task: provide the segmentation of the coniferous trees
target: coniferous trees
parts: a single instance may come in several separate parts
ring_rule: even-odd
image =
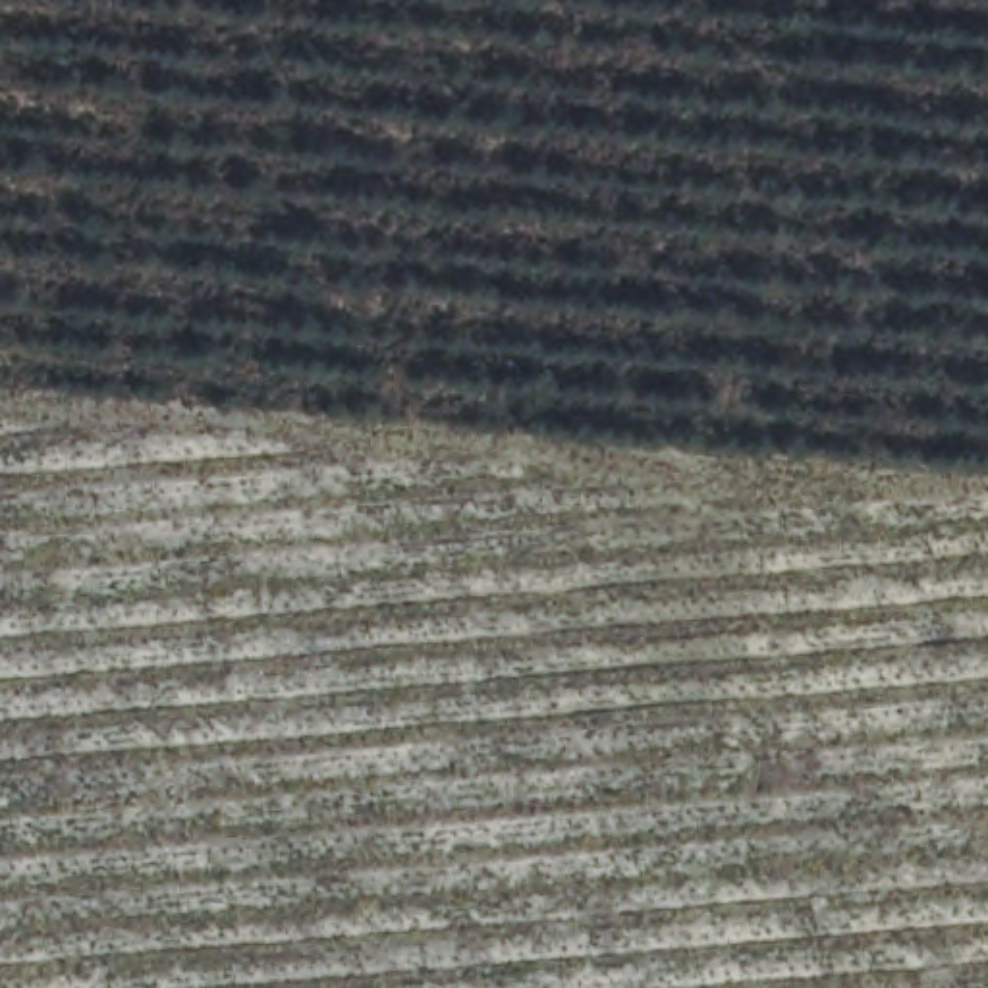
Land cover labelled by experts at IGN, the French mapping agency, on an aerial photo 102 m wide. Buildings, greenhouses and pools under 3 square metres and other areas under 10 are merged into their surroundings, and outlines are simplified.
[[[425,374],[413,382],[413,390],[425,398],[625,409],[633,398],[633,390],[556,386],[552,378],[494,382]]]
[[[394,174],[390,158],[324,147],[301,154],[305,174]]]
[[[714,398],[648,394],[648,413],[726,413],[726,405],[718,405]]]
[[[814,297],[841,301],[853,309],[988,309],[988,297],[953,289],[853,286],[830,278],[791,282],[745,278],[726,270],[660,270],[660,286],[741,289],[764,301]]]
[[[58,232],[62,212],[0,212],[0,232]]]
[[[367,363],[286,363],[282,378],[305,386],[363,386],[382,394],[382,371],[405,371],[409,359],[421,351],[533,359],[556,367],[710,374],[718,359],[699,355],[544,347],[517,340],[486,343],[475,340],[475,328],[490,313],[656,332],[760,336],[776,343],[841,347],[865,340],[865,324],[776,320],[726,309],[544,301],[494,289],[401,282],[398,289],[405,309],[398,313],[347,313],[340,328],[301,324],[301,343],[359,347]]]
[[[0,35],[0,54],[54,62],[100,58],[108,66],[228,73],[232,54],[112,46],[100,39]]]
[[[0,247],[0,274],[46,274],[46,255]]]
[[[988,336],[957,328],[888,328],[880,340],[880,347],[942,355],[988,351]]]
[[[988,35],[826,15],[780,19],[783,35],[845,35],[946,50],[988,46]]]
[[[610,154],[687,154],[710,166],[722,166],[726,158],[764,158],[807,170],[837,166],[868,174],[953,178],[965,158],[872,154],[868,147],[795,147],[722,135],[656,135],[556,120],[529,124],[509,116],[490,116],[475,124],[455,112],[436,116],[409,108],[340,108],[286,96],[220,96],[162,89],[162,108],[212,112],[216,120],[316,120],[374,131],[386,131],[398,116],[409,124],[409,135],[428,139],[463,135],[494,147],[556,143]]]
[[[324,58],[289,58],[278,77],[289,81],[413,85],[413,69],[405,66],[343,66]]]
[[[93,371],[100,363],[116,363],[120,347],[69,340],[50,343],[58,363],[31,367],[35,390],[69,390],[81,398],[139,398],[143,367],[127,374]]]
[[[679,197],[699,205],[741,205],[737,185],[621,181],[590,174],[521,170],[506,162],[452,162],[455,181],[567,189],[583,197]]]
[[[988,212],[938,197],[895,201],[872,193],[799,189],[783,189],[772,205],[776,212],[876,212],[911,224],[988,224]]]
[[[509,255],[459,251],[455,266],[463,270],[494,270],[552,282],[633,278],[629,262],[533,262]]]
[[[768,405],[772,425],[818,425],[826,432],[884,428],[884,413],[807,409],[818,394],[845,398],[849,390],[880,390],[934,394],[942,401],[988,398],[988,386],[973,378],[942,378],[919,371],[803,371],[780,363],[745,367],[749,386],[799,390],[795,405]]]
[[[112,324],[127,332],[174,328],[166,313],[73,305],[73,324]]]
[[[58,15],[120,15],[127,23],[232,31],[309,31],[328,39],[367,39],[382,46],[452,46],[463,31],[405,19],[278,15],[266,8],[224,8],[185,0],[54,0]]]
[[[544,31],[463,31],[463,50],[517,50],[533,58],[548,54]]]
[[[988,124],[957,116],[880,112],[857,104],[687,96],[455,69],[455,89],[571,100],[606,112],[648,108],[668,116],[749,116],[772,124],[884,127],[949,139],[988,135]]]
[[[880,81],[895,89],[988,89],[988,69],[791,58],[795,77]]]
[[[316,197],[316,212],[417,220],[428,228],[494,228],[506,235],[521,232],[606,239],[637,235],[652,239],[660,251],[668,239],[691,239],[702,251],[822,251],[857,270],[880,262],[976,266],[988,259],[988,251],[953,243],[903,243],[888,235],[849,239],[776,228],[714,228],[691,220],[575,216],[498,205],[459,208],[378,193]]]
[[[0,124],[0,185],[27,189],[31,197],[77,189],[216,205],[220,185],[189,178],[93,170],[50,174],[46,147],[62,147],[69,131]]]
[[[255,274],[212,262],[85,259],[93,282],[158,278],[205,289],[228,286],[243,293],[316,293],[316,278],[297,274]]]
[[[702,8],[656,0],[560,0],[563,15],[633,23],[633,39],[645,42],[652,42],[652,23],[695,27],[702,15],[710,15]]]
[[[274,235],[251,228],[251,239],[243,247],[278,251],[289,259],[394,259],[394,232],[382,232],[382,243],[340,243],[324,235]]]

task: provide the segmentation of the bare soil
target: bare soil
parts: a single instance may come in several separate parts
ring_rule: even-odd
[[[85,120],[81,131],[69,131],[62,147],[131,158],[139,151],[139,139],[147,135],[147,112],[162,108],[162,89],[124,81],[46,81],[23,89],[15,81],[0,81],[0,104],[35,112],[62,108]]]

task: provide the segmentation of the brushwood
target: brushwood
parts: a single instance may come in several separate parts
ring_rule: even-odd
[[[807,170],[764,158],[726,158],[722,166],[710,166],[687,154],[610,154],[556,143],[494,147],[463,135],[428,139],[409,135],[409,124],[398,116],[386,131],[374,131],[316,120],[216,120],[212,112],[162,108],[147,112],[147,135],[139,139],[139,151],[131,158],[62,147],[46,147],[50,174],[93,170],[189,178],[220,185],[216,205],[77,189],[31,197],[27,189],[0,185],[0,212],[62,212],[58,232],[0,232],[0,247],[46,255],[46,274],[0,274],[0,390],[35,390],[31,367],[58,363],[50,343],[69,340],[120,347],[116,363],[100,363],[93,371],[127,374],[143,367],[139,398],[243,413],[301,409],[347,421],[432,421],[471,432],[533,432],[575,444],[598,444],[606,432],[625,432],[625,444],[641,448],[745,455],[791,452],[861,459],[865,467],[895,467],[919,459],[930,463],[930,455],[976,455],[988,463],[988,398],[942,401],[934,394],[880,390],[849,390],[845,398],[818,394],[807,409],[884,413],[884,428],[826,432],[818,425],[772,425],[768,405],[795,405],[799,390],[749,386],[745,367],[780,363],[803,371],[919,371],[942,378],[973,378],[988,386],[988,351],[942,355],[880,347],[880,340],[888,328],[957,328],[988,336],[988,309],[853,309],[841,301],[814,297],[764,301],[741,289],[660,286],[660,270],[726,270],[745,278],[791,282],[830,278],[853,286],[953,289],[988,297],[988,259],[976,266],[880,262],[857,270],[822,251],[702,251],[691,239],[668,239],[660,251],[652,239],[637,235],[606,239],[521,232],[506,235],[494,228],[428,228],[417,220],[316,212],[316,197],[378,193],[459,208],[498,205],[575,216],[691,220],[714,228],[776,228],[849,239],[888,235],[903,243],[953,243],[988,251],[988,224],[911,224],[876,212],[776,212],[772,205],[783,189],[799,189],[872,193],[895,201],[938,197],[988,212],[988,135],[949,139],[884,127],[772,124],[749,116],[668,116],[648,108],[606,112],[571,100],[455,89],[455,69],[687,96],[857,104],[880,112],[957,116],[988,124],[988,89],[895,89],[880,81],[795,77],[791,58],[988,69],[988,46],[946,50],[845,35],[783,35],[780,19],[826,15],[988,35],[988,0],[656,0],[702,8],[710,15],[702,15],[695,27],[652,23],[652,42],[645,42],[633,39],[633,23],[563,15],[560,0],[185,0],[224,8],[266,8],[278,15],[405,19],[463,31],[544,31],[548,54],[533,58],[517,50],[463,50],[463,31],[452,46],[382,46],[367,39],[328,39],[309,31],[232,31],[127,23],[120,15],[58,15],[54,0],[0,0],[0,35],[100,39],[112,46],[232,54],[228,73],[108,66],[100,58],[54,62],[0,54],[0,81],[15,81],[23,89],[46,81],[124,81],[162,89],[220,96],[286,96],[340,108],[409,108],[436,116],[455,112],[475,124],[490,116],[509,116],[529,124],[556,120],[656,135],[722,135],[795,147],[868,147],[872,154],[965,158],[953,178],[868,174],[837,166]],[[343,66],[405,66],[413,69],[413,85],[289,81],[278,77],[289,58],[324,58]],[[305,174],[301,154],[324,147],[390,158],[394,174]],[[737,185],[741,205],[699,205],[679,197],[583,197],[567,189],[455,181],[452,162],[506,162],[521,170],[590,174],[621,181]],[[394,259],[289,259],[278,251],[243,247],[251,239],[251,228],[274,235],[324,235],[340,243],[382,243],[382,232],[394,232]],[[463,270],[455,266],[459,251],[509,255],[533,262],[629,262],[633,278],[552,282],[494,270]],[[297,274],[316,278],[316,293],[243,293],[228,286],[205,289],[158,278],[93,282],[85,259],[212,262],[255,274]],[[865,340],[841,347],[776,343],[760,336],[656,332],[490,313],[475,328],[475,340],[486,343],[517,340],[544,347],[699,355],[718,359],[710,374],[556,367],[533,359],[421,351],[409,359],[405,371],[382,371],[382,394],[363,386],[305,386],[282,378],[286,363],[367,363],[359,347],[301,343],[301,324],[340,328],[347,313],[398,313],[405,309],[398,289],[401,282],[494,289],[544,301],[726,309],[776,320],[865,324]],[[166,313],[174,328],[127,332],[112,324],[73,324],[73,305]],[[494,382],[552,378],[556,386],[633,390],[633,398],[625,409],[425,398],[413,390],[413,382],[425,374]],[[648,394],[714,398],[718,405],[726,405],[726,413],[648,413]]]
[[[62,108],[35,112],[0,104],[0,124],[69,131],[81,131],[85,120]]]

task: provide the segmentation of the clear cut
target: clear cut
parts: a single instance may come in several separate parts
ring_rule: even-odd
[[[471,432],[432,421],[347,421],[301,409],[243,413],[139,398],[81,398],[69,390],[35,390],[0,390],[0,988],[988,988],[988,463],[976,455],[930,455],[930,463],[919,459],[895,467],[865,467],[861,459],[791,452],[745,455],[641,448],[625,444],[625,432],[606,432],[598,444],[575,444],[533,432]]]

